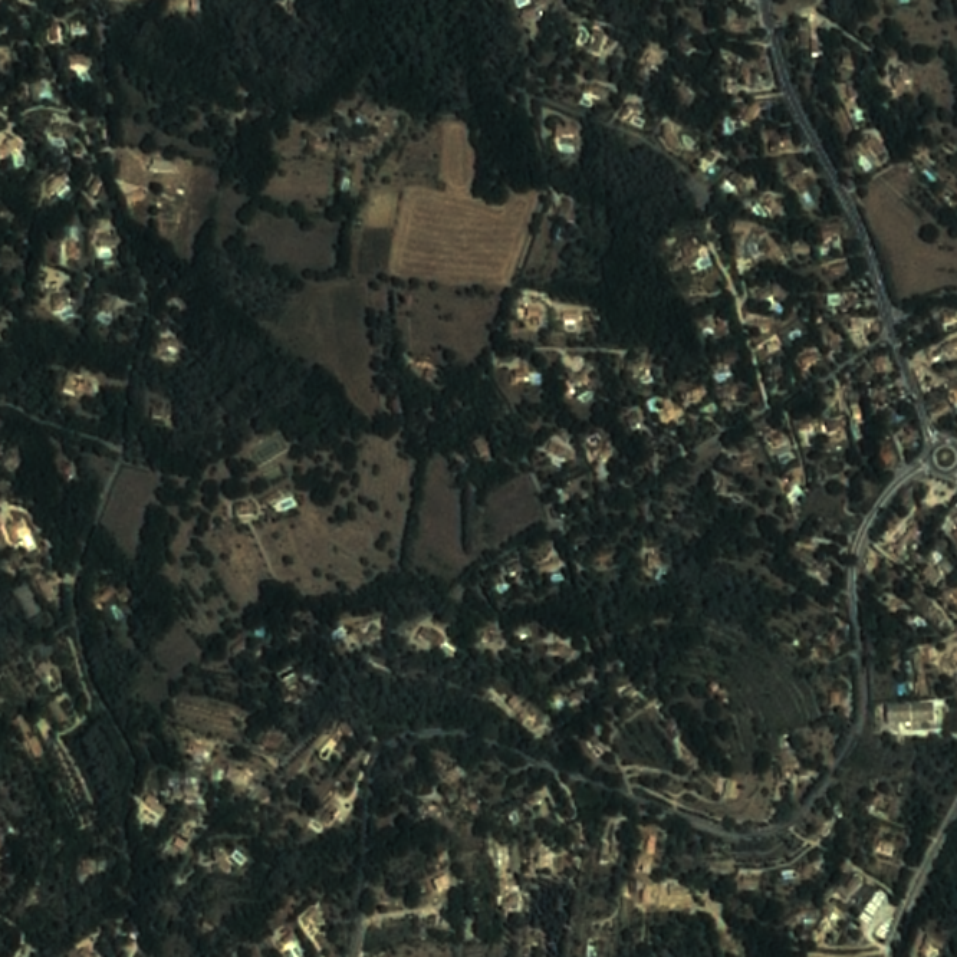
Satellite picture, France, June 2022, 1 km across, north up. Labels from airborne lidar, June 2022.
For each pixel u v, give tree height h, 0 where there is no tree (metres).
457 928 11
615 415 13
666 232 13
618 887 20
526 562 13
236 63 20
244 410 14
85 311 8
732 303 14
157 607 15
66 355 15
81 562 11
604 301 14
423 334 0
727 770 12
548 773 15
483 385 13
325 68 16
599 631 18
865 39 8
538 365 17
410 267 0
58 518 10
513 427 14
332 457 8
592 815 14
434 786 9
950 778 16
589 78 11
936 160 9
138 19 13
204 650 10
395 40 27
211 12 15
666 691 13
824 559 12
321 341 0
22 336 15
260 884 10
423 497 12
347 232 13
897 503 7
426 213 0
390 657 17
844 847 15
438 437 11
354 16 16
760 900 8
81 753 6
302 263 0
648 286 14
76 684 13
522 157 14
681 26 11
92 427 14
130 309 6
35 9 15
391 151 10
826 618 8
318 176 0
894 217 0
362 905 11
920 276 0
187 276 18
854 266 15
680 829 15
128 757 9
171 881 19
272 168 16
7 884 7
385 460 0
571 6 10
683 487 15
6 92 6
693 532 18
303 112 13
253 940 10
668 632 12
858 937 16
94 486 13
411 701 17
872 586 14
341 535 0
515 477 11
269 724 16
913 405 10
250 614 15
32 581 10
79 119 17
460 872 12
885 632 14
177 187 0
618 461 14
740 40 9
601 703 13
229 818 12
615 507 13
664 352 10
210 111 12
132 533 0
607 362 12
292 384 16
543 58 14
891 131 13
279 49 23
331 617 14
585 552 11
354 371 0
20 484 14
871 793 16
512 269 0
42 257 15
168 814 8
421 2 24
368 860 11
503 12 18
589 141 11
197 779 0
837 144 13
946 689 11
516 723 13
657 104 18
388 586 16
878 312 9
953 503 7
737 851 9
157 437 13
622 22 21
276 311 18
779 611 7
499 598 7
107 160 13
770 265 9
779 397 8
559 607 17
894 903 10
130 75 19
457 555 0
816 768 10
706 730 10
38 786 9
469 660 9
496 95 16
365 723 18
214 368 20
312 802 15
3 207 15
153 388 18
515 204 0
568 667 9
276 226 0
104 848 8
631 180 16
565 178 16
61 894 14
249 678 9
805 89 9
